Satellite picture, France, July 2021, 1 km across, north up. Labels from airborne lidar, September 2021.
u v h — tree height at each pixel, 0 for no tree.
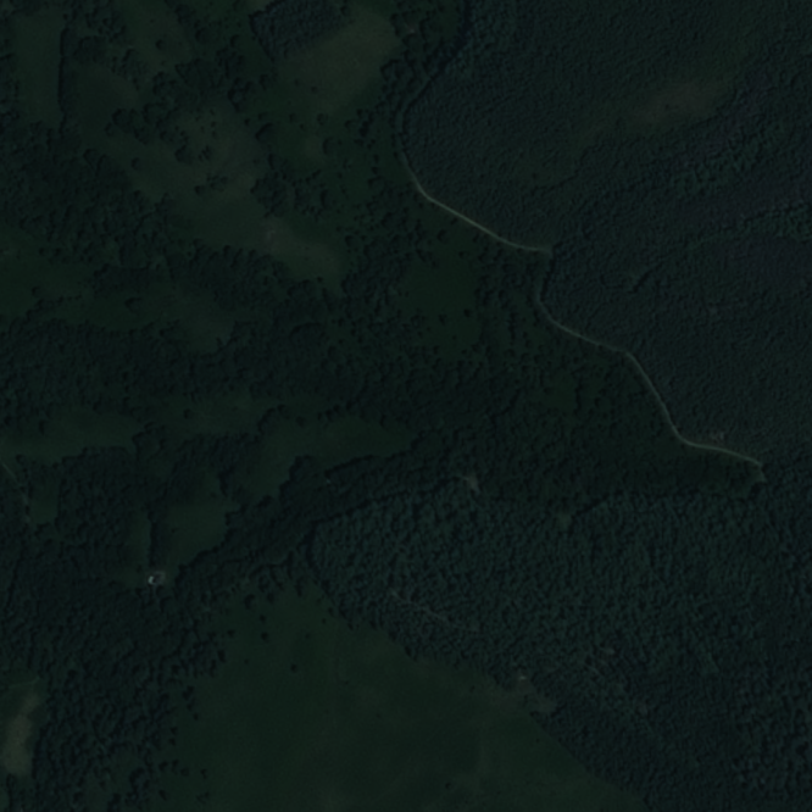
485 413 7
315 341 21
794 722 10
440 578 26
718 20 23
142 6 0
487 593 26
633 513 25
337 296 17
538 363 16
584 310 22
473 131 18
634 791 15
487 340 18
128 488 12
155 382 19
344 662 0
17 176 21
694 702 18
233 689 0
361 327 12
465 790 0
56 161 16
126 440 0
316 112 0
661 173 20
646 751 16
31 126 8
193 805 0
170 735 18
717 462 16
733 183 24
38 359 23
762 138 25
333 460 0
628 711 27
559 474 14
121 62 8
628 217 20
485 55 31
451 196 15
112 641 20
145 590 7
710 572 35
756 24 10
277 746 0
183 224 11
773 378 18
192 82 18
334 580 28
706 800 15
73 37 19
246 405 0
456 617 28
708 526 28
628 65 17
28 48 0
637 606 30
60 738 20
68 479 8
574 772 0
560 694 20
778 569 17
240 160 0
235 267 13
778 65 24
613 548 26
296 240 0
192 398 7
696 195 20
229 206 0
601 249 18
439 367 15
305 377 23
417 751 0
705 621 13
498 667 20
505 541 20
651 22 20
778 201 21
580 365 22
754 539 21
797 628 17
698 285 9
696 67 16
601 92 11
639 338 23
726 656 23
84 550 13
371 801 0
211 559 24
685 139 14
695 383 18
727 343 21
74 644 17
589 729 21
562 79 9
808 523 14
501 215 16
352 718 0
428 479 19
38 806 13
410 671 0
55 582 19
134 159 0
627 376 10
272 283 17
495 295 16
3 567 22
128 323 0
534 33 20
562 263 16
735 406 22
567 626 29
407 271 15
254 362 20
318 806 0
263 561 20
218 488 0
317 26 25
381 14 0
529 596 29
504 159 9
